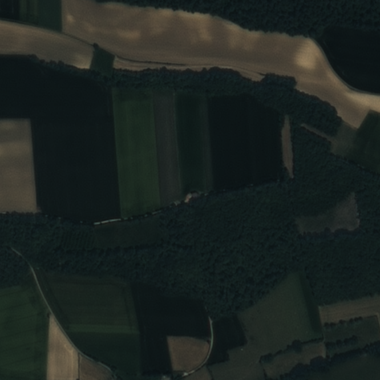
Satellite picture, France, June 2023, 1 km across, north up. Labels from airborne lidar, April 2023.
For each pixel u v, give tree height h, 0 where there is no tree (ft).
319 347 0
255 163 0
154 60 0
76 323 0
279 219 36
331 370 0
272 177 0
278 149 0
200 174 0
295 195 59
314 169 82
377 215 73
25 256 55
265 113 0
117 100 0
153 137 0
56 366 0
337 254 71
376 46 0
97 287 0
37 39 0
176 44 0
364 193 52
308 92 0
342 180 59
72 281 0
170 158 0
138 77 30
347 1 71
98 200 0
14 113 0
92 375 0
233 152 0
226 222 42
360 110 0
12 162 0
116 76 29
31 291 0
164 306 0
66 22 0
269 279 64
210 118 0
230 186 0
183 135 0
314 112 81
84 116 0
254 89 44
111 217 0
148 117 0
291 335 0
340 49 0
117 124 0
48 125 0
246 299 69
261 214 49
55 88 0
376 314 0
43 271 0
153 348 0
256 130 0
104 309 0
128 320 0
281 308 0
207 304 42
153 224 0
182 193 0
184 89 35
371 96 0
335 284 58
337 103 0
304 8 65
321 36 0
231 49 0
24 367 0
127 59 0
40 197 0
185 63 0
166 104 0
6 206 0
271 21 65
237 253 56
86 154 0
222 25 0
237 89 56
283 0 69
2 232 61
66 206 0
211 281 52
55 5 0
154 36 0
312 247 58
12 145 0
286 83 63
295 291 0
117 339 0
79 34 0
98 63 0
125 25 0
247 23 73
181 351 0
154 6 43
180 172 0
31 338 0
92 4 0
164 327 0
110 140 0
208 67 0
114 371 48
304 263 51
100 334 0
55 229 50
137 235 0
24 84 0
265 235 65
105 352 0
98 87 0
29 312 0
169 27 0
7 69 0
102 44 0
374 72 0
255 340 0
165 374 26
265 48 0
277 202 41
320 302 46
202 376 0
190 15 0
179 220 63
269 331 0
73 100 0
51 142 0
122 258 34
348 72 0
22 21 0
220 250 52
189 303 0
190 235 69
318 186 57
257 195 47
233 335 0
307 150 80
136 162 0
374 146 0
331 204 40
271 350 0
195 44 0
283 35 0
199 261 58
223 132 0
